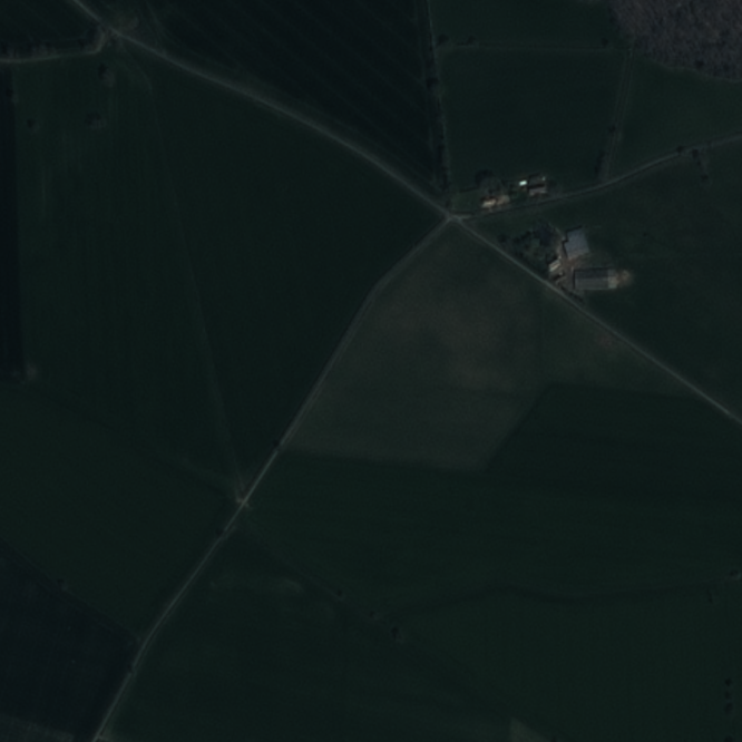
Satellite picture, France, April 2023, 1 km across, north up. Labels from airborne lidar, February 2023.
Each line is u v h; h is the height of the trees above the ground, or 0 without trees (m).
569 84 0
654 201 0
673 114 0
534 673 0
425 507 0
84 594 0
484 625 0
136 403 0
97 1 0
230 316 0
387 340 0
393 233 0
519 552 0
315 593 0
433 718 0
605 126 0
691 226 0
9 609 0
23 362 0
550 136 0
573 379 0
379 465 0
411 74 0
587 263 0
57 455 0
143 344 0
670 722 0
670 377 0
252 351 0
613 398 0
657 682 0
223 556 0
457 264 0
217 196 0
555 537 0
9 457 0
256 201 0
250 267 0
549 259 6
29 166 0
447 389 0
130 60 0
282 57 0
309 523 0
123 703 0
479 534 0
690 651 0
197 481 0
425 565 0
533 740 0
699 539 0
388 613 0
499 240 0
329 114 0
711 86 0
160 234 0
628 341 0
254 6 0
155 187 0
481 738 0
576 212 0
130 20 0
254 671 0
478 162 0
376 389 0
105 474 0
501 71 0
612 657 0
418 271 0
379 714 0
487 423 0
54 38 0
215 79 0
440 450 0
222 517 0
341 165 0
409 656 0
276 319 0
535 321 0
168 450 0
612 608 0
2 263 0
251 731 0
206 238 0
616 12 20
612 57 0
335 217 0
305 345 0
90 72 0
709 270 0
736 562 0
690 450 0
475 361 0
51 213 0
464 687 0
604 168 16
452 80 0
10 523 0
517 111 0
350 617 0
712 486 0
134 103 0
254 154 0
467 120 0
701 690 0
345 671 0
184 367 0
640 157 0
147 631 0
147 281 0
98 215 0
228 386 0
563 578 0
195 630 0
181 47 0
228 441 0
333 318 0
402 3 0
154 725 0
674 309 0
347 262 0
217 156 0
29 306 0
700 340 0
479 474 0
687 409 0
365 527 0
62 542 0
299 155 0
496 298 0
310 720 0
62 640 0
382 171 0
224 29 0
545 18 0
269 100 0
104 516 0
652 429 0
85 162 0
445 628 0
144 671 0
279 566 0
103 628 0
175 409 0
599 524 0
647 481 0
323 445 0
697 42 26
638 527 0
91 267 0
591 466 0
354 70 0
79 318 0
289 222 0
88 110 0
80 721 0
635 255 0
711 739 0
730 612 0
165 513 0
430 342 0
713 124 0
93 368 0
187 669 0
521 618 0
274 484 0
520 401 0
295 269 0
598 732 0
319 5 0
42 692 0
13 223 0
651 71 0
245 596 0
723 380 0
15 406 0
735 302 0
